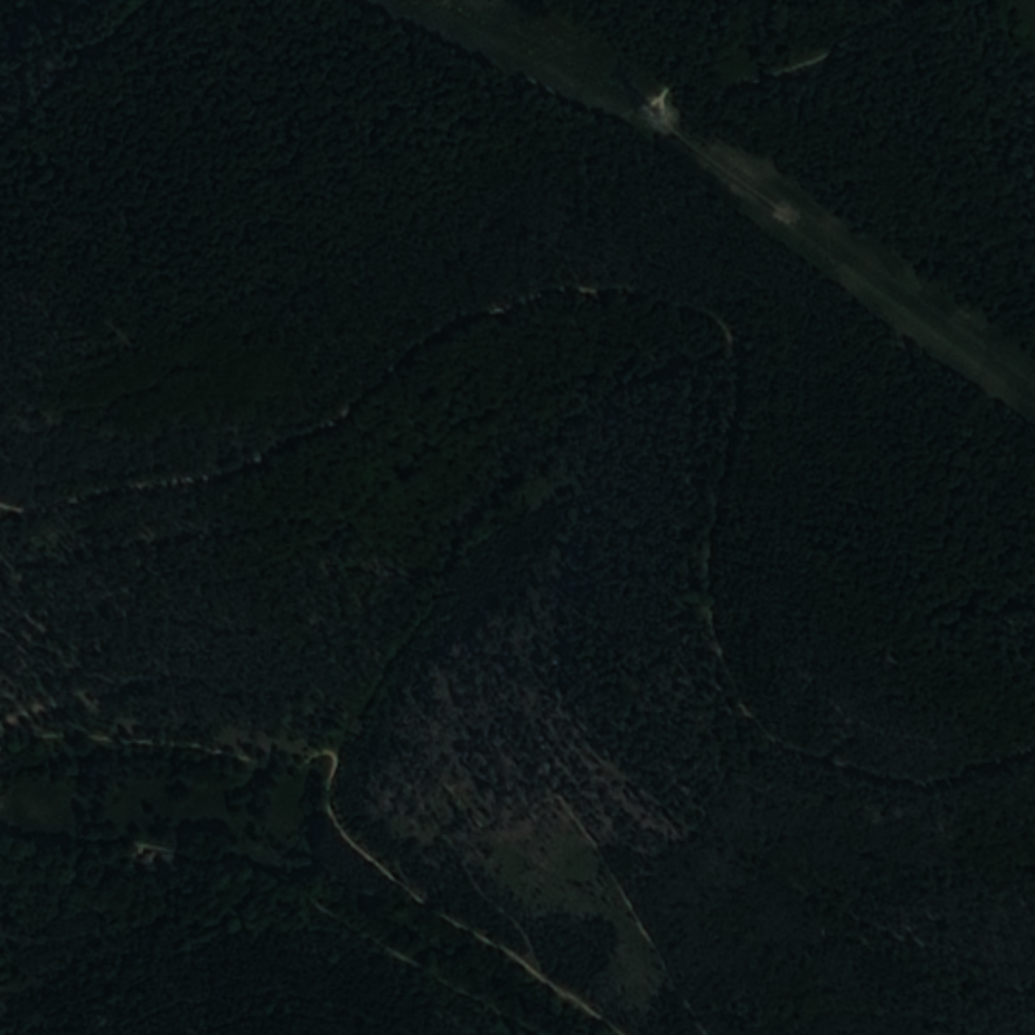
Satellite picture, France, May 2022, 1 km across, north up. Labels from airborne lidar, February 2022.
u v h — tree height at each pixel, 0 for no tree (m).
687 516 24
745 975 11
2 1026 12
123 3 28
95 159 26
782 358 20
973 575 26
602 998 12
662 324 27
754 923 12
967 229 23
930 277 20
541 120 20
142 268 20
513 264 17
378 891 33
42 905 28
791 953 13
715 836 12
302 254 21
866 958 16
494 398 23
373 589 22
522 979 23
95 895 27
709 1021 14
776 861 13
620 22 24
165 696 29
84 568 29
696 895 12
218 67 24
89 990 16
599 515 30
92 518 20
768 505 18
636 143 19
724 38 24
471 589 8
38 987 0
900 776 9
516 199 18
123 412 8
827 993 16
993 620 24
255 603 23
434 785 29
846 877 13
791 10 22
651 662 22
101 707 33
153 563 23
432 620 8
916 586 25
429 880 12
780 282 22
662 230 20
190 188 26
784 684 16
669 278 22
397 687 8
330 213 24
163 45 23
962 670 20
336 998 15
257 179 27
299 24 26
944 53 25
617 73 0
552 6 19
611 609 31
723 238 19
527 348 21
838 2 18
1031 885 22
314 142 21
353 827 8
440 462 28
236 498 20
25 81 29
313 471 24
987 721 18
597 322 15
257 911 26
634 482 30
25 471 13
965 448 20
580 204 17
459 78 26
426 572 17
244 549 25
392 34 25
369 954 7
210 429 8
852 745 14
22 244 24
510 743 26
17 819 0
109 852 23
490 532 6
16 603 31
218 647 23
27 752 18
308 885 28
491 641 29
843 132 18
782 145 22
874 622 17
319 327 15
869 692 18
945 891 20
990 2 19
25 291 20
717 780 26
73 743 23
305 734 6
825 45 14
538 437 22
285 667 26
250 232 27
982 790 25
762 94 14
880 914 21
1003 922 19
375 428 21
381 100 23
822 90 17
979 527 25
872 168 19
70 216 27
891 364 19
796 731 16
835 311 20
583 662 30
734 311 22
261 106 23
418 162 24
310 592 23
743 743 21
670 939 11
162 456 16
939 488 23
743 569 23
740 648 20
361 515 26
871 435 22
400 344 14
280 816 0
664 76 18
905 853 15
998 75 26
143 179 25
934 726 18
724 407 28
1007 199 25
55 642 19
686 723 20
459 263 14
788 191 0
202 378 8
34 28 29
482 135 22
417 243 14
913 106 22
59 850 23
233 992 17
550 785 31
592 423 29
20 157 26
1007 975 23
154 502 21
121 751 27
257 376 11
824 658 14
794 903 15
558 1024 25
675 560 26
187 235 25
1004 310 19
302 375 14
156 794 0
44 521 17
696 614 25
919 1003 19
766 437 18
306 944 9
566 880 0
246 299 16
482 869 7
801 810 13
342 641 23
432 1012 12
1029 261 23
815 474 19
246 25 27
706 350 28
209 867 26
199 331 12
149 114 25
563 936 13
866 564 20
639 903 11
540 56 0
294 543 23
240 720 31
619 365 25
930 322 0
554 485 0
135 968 19
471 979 20
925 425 24
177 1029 14
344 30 28
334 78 24
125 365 9
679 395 30
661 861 13
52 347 22
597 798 29
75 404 7
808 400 21
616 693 26
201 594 22
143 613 22
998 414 16
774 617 19
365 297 18
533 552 7
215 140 23
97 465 14
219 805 0
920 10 21
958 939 19
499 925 15
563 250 19
